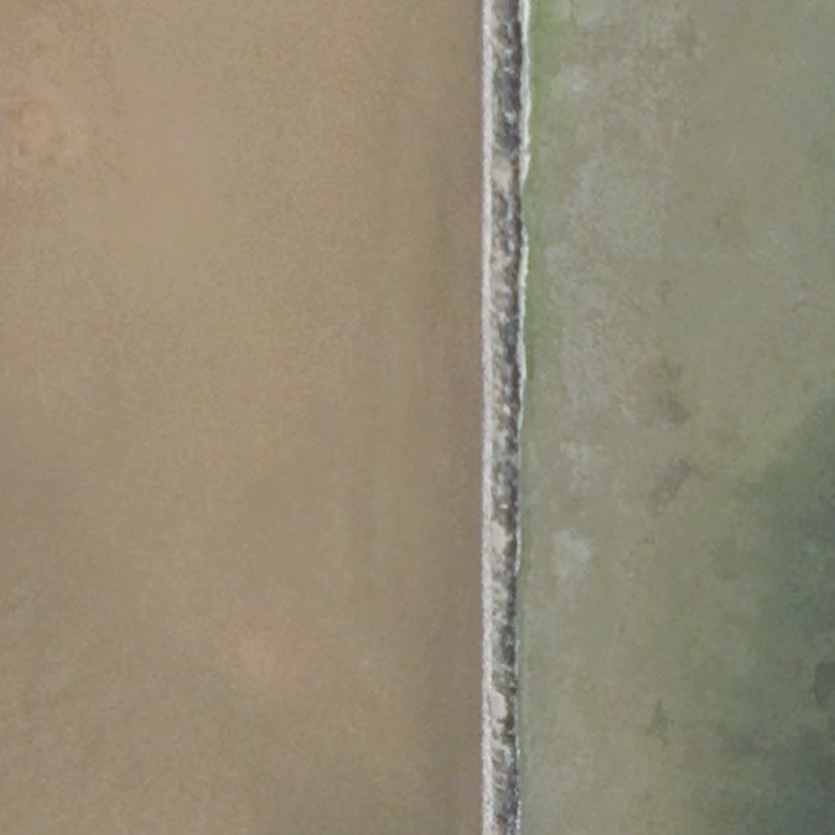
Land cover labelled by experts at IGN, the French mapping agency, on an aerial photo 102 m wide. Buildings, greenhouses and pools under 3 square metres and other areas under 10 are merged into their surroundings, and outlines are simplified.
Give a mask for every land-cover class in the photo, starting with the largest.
<instances>
[{"label":"water","instance_id":"1","mask_svg":"<svg viewBox=\"0 0 835 835\"><path fill-rule=\"evenodd\" d=\"M483 0H0V835H483ZM525 186L535 192V202L522 209V232L532 238V258L525 316L528 388L519 398V453L506 450L502 463L519 466L515 532L519 538H532V571L519 584L515 626V675L522 685V714L515 718V740L525 747L519 799L535 812V819L525 822L522 835H835V0H532L528 170Z\"/></svg>","mask_w":835,"mask_h":835},{"label":"pervious surface","instance_id":"2","mask_svg":"<svg viewBox=\"0 0 835 835\"><path fill-rule=\"evenodd\" d=\"M509 55V46L496 33V0H483V835H499L496 747L502 744L506 718V695L499 691V626L506 616V525L496 519L493 499L506 493V486L493 479V470L496 463H502L506 450L502 424L509 414V401L502 398V378L496 362L502 359V271L509 261L496 241L493 196L509 189V163L496 140V59ZM519 160L522 170H528L532 0H519ZM512 238L522 241L515 342L519 398L528 388L525 316L532 258V238L522 232V219H512Z\"/></svg>","mask_w":835,"mask_h":835},{"label":"brushwood","instance_id":"3","mask_svg":"<svg viewBox=\"0 0 835 835\"><path fill-rule=\"evenodd\" d=\"M496 33L509 46V55L496 59V140L509 163V189L493 196L496 241L509 261L502 271V359L496 362L502 378V398L509 401V414L502 424L506 450L519 453V398L515 342L522 241L512 238V219H522V209L535 202V192L525 186L528 170H522L519 160V0H496ZM493 479L506 486V493L493 499L496 519L506 525V616L499 626V691L506 695V718L502 744L496 747L499 835H522L525 822L535 819V812L519 799L525 747L515 740V718L522 714V685L515 675V626L519 584L532 571V538H519L515 532L519 466L502 463H496L493 470Z\"/></svg>","mask_w":835,"mask_h":835}]
</instances>
